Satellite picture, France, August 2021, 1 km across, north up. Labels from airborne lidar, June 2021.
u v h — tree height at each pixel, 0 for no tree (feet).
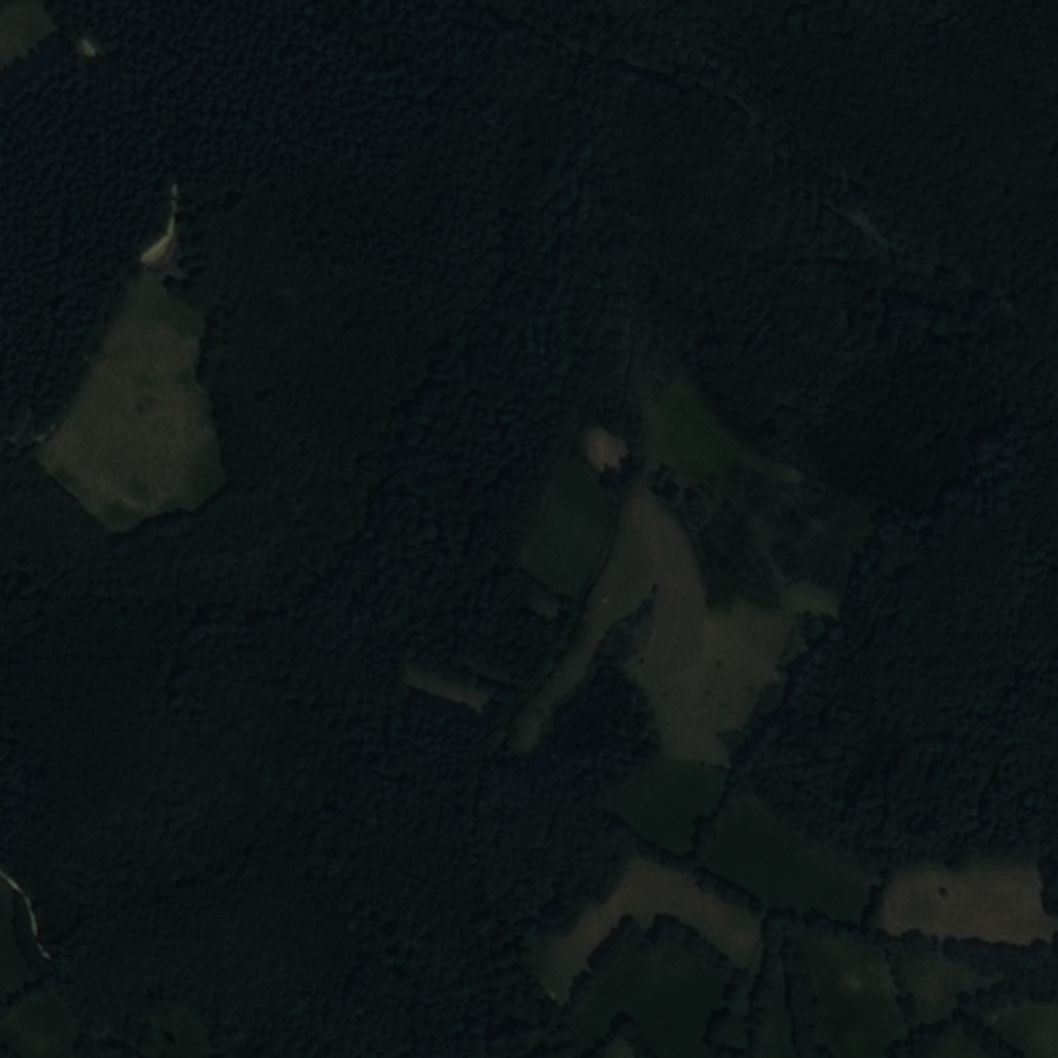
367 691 89
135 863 90
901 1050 46
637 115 70
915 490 36
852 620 39
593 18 32
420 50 113
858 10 88
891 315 100
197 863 94
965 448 47
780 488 0
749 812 0
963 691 85
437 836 64
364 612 61
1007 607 90
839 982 0
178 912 77
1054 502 83
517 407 77
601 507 0
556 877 74
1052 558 100
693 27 56
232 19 128
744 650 0
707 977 0
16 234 118
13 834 86
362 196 98
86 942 72
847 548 0
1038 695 103
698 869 31
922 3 79
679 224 77
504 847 76
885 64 96
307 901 69
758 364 96
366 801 89
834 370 86
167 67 114
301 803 105
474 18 75
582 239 68
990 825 91
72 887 79
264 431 68
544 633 63
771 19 122
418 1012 130
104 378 0
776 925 51
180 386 0
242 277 66
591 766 74
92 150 105
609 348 65
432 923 77
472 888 59
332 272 45
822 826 73
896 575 40
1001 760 107
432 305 100
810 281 86
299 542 88
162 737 63
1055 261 70
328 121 144
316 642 82
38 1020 0
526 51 49
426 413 103
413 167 96
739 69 83
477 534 91
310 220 95
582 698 29
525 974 43
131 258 103
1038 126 89
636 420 75
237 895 65
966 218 85
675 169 61
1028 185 79
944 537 100
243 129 115
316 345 72
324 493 82
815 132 93
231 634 97
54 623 102
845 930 46
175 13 113
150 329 0
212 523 67
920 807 68
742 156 72
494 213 112
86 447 0
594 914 0
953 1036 41
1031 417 92
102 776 71
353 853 86
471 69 102
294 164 113
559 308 66
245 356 75
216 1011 36
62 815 73
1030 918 0
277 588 104
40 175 120
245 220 75
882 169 80
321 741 101
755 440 36
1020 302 97
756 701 0
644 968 0
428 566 67
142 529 38
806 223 56
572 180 49
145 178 126
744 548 0
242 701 91
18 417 111
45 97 97
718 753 0
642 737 25
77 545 73
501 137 124
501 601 83
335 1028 65
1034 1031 0
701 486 0
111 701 72
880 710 77
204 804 67
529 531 65
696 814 0
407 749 105
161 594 94
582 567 0
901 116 77
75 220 110
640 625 0
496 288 88
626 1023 56
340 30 124
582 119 70
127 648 79
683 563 0
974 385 22
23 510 71
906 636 72
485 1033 26
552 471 61
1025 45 88
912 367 26
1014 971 64
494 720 67
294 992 62
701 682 0
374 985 96
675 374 0
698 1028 0
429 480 98
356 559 109
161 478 0
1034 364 82
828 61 96
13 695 85
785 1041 0
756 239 60
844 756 83
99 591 117
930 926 0
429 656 89
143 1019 66
